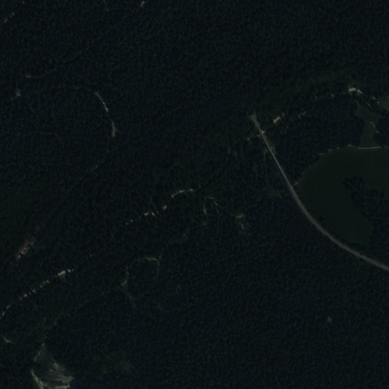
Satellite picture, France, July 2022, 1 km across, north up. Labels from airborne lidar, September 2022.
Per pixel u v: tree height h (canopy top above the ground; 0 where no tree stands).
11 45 25
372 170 0
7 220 28
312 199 0
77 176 18
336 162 0
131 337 26
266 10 24
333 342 18
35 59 29
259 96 23
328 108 26
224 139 31
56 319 12
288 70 24
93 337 20
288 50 23
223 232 24
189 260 10
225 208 25
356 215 0
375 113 10
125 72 22
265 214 14
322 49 13
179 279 23
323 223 14
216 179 29
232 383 35
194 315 33
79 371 15
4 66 30
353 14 24
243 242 30
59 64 11
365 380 25
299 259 26
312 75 20
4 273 24
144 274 28
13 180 17
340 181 0
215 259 30
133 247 6
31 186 20
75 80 12
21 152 23
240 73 25
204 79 26
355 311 31
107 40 22
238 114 16
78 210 13
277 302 35
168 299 7
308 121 26
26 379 30
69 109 16
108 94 19
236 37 23
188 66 6
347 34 27
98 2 26
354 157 0
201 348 16
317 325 18
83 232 6
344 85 21
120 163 23
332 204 0
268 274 27
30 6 21
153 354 26
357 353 22
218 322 25
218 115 29
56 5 6
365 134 0
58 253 28
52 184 28
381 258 28
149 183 24
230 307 34
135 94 11
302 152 25
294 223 26
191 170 26
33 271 35
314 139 29
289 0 13
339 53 19
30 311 26
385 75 25
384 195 17
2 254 32
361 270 28
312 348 22
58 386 0
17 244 33
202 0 17
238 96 30
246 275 28
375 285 29
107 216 6
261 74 30
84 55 33
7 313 11
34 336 19
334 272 27
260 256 32
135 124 28
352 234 0
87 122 27
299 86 18
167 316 19
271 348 21
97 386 28
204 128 31
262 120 14
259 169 7
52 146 15
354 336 16
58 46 27
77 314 13
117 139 16
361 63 16
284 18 17
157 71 16
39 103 29
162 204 9
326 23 20
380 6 13
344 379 22
